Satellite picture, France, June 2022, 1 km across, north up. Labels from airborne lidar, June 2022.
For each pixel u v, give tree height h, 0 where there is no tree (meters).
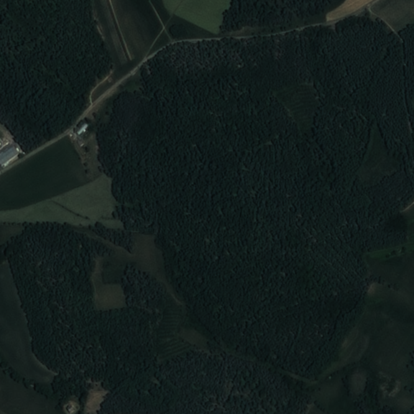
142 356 17
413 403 0
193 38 0
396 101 28
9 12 14
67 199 0
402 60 23
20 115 14
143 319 16
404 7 0
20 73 25
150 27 0
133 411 18
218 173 25
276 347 10
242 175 25
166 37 0
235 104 13
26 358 0
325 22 0
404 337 0
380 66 19
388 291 0
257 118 21
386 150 8
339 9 0
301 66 19
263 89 18
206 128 21
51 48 14
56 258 14
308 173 15
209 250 14
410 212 0
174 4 0
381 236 20
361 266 16
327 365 24
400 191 15
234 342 10
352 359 0
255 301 20
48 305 16
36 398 0
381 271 0
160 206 18
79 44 12
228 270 19
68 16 15
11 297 0
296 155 21
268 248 23
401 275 0
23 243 14
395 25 0
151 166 22
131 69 0
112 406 25
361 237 23
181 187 23
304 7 15
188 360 13
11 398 0
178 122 23
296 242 13
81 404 10
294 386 19
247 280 28
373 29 17
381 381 0
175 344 0
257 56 19
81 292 10
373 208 15
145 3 0
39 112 31
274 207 24
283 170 19
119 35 0
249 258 22
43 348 18
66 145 0
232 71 13
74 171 0
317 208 28
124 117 16
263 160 21
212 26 0
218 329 18
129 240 18
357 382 0
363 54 22
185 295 8
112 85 0
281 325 14
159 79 21
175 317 0
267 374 20
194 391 22
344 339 24
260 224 20
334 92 14
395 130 23
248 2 28
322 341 17
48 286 17
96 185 0
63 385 20
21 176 0
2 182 0
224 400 14
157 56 13
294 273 22
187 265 18
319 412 0
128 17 0
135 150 19
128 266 8
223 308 10
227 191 28
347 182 26
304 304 15
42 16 11
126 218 13
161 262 0
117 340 16
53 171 0
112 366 18
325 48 13
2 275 0
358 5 0
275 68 19
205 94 26
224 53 8
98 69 20
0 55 9
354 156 15
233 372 15
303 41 22
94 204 0
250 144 18
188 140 20
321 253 15
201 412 22
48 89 20
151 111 17
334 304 16
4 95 27
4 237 0
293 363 15
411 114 20
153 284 19
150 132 17
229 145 20
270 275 22
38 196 0
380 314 0
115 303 0
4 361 19
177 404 24
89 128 10
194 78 10
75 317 13
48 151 0
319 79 12
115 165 17
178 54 16
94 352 26
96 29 14
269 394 14
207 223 16
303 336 13
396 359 0
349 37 18
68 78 19
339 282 17
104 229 14
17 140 21
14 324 0
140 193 23
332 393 0
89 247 20
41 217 0
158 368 18
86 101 19
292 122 22
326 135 29
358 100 23
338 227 13
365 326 0
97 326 25
